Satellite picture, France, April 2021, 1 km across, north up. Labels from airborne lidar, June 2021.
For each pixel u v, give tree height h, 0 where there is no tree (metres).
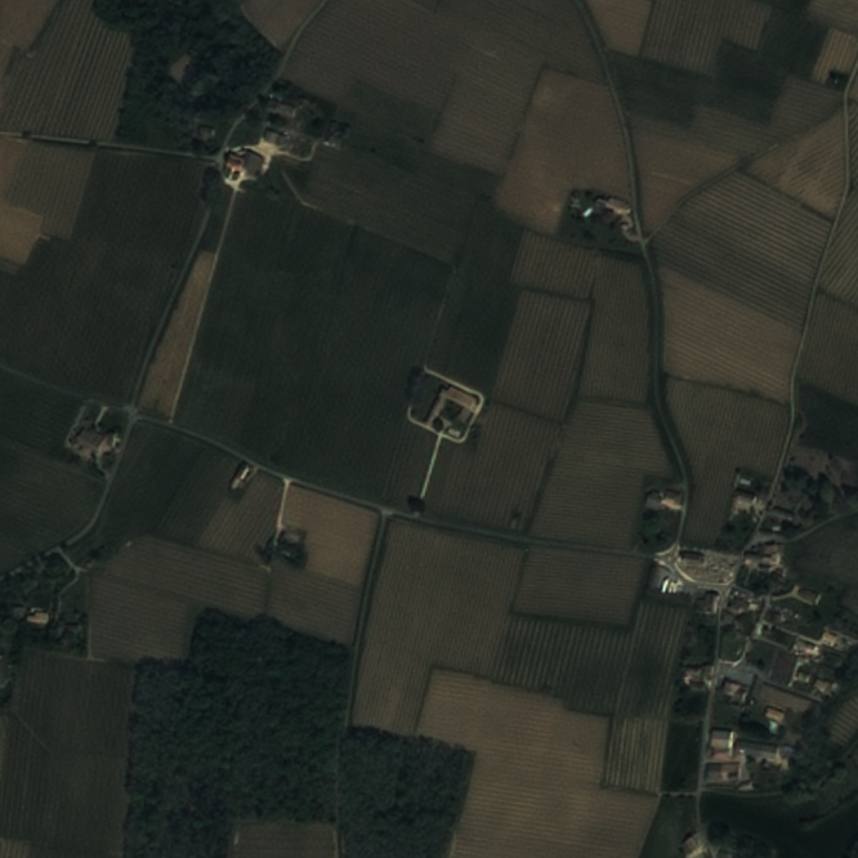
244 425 0
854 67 0
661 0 0
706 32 0
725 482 0
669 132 0
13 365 0
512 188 0
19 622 7
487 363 0
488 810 0
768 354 0
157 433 0
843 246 0
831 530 0
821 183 0
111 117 0
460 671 0
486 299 0
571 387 0
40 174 0
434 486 0
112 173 0
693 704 0
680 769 0
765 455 0
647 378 0
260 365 0
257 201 0
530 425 0
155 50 18
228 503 0
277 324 0
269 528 0
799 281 0
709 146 0
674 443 0
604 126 0
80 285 0
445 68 0
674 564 0
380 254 0
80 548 0
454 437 0
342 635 0
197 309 0
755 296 0
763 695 0
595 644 0
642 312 0
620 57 0
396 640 0
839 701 13
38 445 0
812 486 20
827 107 0
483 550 0
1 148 0
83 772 0
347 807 14
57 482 0
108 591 0
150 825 17
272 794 20
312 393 0
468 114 0
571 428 0
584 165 0
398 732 0
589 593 0
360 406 0
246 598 0
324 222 0
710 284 0
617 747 0
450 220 0
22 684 0
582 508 0
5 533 0
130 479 0
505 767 0
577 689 0
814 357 0
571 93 0
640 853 0
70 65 0
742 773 0
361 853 15
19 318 0
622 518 0
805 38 0
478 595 0
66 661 0
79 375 0
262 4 0
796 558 0
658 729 0
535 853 0
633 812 0
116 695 0
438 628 0
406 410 0
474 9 0
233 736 26
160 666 15
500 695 0
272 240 0
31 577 8
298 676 19
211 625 13
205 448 0
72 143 0
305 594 0
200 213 0
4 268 0
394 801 17
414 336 0
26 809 0
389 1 0
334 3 0
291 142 0
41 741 0
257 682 14
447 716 0
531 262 0
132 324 0
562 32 0
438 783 16
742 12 0
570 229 0
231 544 0
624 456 0
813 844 0
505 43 0
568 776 0
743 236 0
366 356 0
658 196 0
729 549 7
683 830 0
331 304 0
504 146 0
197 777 14
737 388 0
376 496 0
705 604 0
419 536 0
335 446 0
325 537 0
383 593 0
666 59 0
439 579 0
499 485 0
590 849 0
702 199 0
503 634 0
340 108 0
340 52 0
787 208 0
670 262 0
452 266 0
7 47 0
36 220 0
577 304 0
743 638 10
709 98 0
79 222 0
